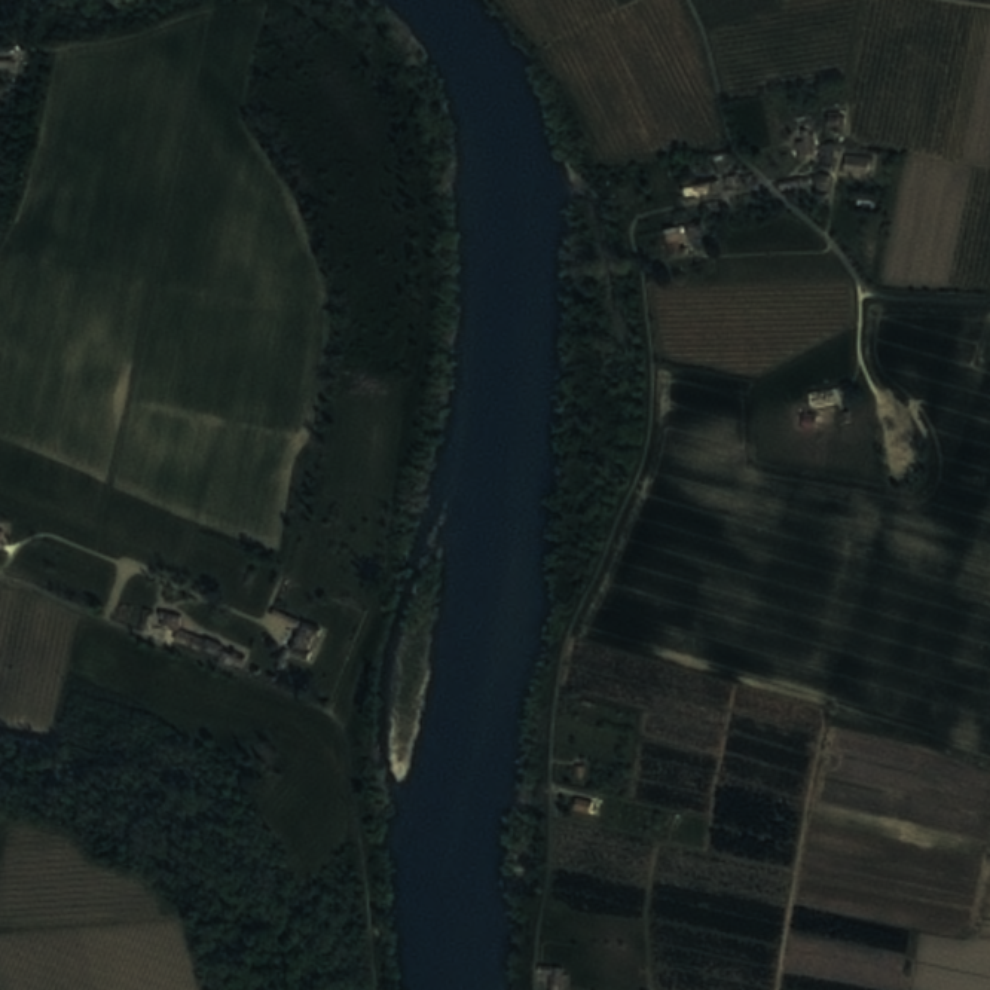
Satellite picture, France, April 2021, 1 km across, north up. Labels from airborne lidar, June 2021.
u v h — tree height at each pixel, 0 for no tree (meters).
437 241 14
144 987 0
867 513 0
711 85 0
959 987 0
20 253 0
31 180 0
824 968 0
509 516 0
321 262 19
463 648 0
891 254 0
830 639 0
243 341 0
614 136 0
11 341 0
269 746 14
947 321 0
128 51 0
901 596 0
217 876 22
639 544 0
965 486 0
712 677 0
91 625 0
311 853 0
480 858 0
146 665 0
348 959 14
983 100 0
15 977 0
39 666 0
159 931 0
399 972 9
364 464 0
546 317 0
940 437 0
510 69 0
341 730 0
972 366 0
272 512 0
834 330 0
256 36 0
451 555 0
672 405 0
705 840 0
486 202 0
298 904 11
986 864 0
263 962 14
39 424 0
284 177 18
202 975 13
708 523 0
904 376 0
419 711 0
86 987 0
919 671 0
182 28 0
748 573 0
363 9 19
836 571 0
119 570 0
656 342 0
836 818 0
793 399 0
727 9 0
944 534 0
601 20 0
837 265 0
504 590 0
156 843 23
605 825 0
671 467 0
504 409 0
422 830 0
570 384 24
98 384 0
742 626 0
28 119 8
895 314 0
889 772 0
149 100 0
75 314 0
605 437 7
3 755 21
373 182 0
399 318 8
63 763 28
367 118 0
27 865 0
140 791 12
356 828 0
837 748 0
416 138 17
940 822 0
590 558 14
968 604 0
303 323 0
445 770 0
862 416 0
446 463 0
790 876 0
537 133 0
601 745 0
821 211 9
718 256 12
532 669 7
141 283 0
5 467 0
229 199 0
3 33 17
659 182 0
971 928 0
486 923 0
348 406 0
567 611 10
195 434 0
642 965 0
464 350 0
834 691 0
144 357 0
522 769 12
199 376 0
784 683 0
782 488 0
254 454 0
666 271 15
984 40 0
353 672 0
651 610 0
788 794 0
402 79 12
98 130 0
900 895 0
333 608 0
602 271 30
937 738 0
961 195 0
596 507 22
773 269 0
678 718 0
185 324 0
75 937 0
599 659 0
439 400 6
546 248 0
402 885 0
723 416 0
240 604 0
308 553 0
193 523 0
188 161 0
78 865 0
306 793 0
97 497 0
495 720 0
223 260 0
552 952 0
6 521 7
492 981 0
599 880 0
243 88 0
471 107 0
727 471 0
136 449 0
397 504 10
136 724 13
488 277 0
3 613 0
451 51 0
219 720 0
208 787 15
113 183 0
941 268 0
